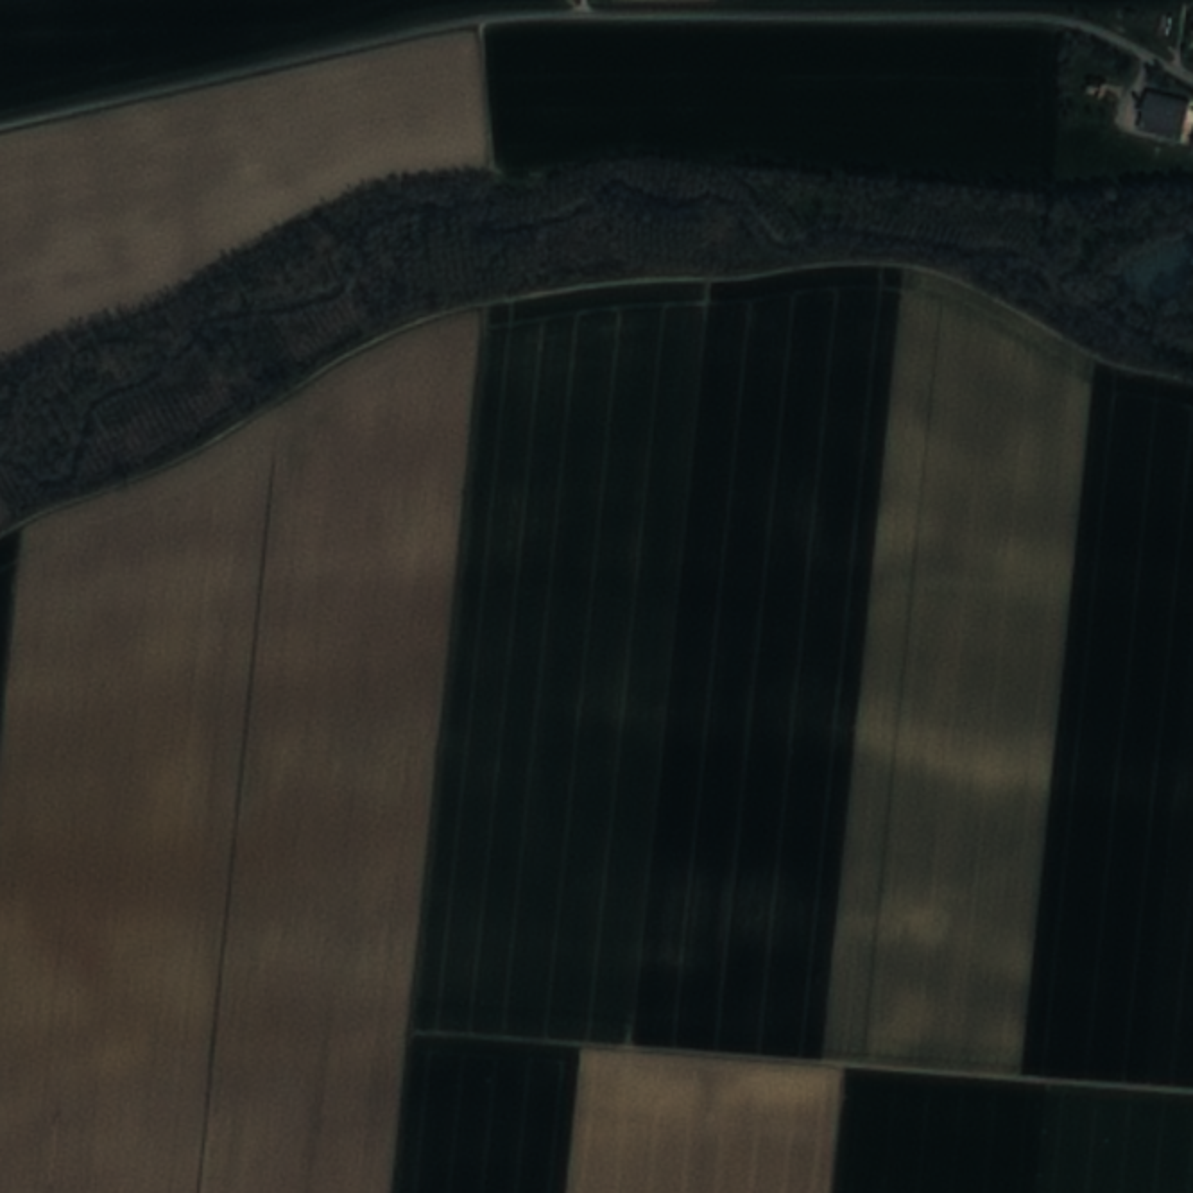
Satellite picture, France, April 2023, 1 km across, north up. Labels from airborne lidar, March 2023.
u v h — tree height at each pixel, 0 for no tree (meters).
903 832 0
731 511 0
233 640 0
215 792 0
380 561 0
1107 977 0
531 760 0
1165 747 0
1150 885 0
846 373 0
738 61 0
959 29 0
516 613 0
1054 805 0
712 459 0
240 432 0
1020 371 0
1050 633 0
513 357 0
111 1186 0
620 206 23
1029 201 17
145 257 0
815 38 0
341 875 0
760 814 0
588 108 0
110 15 0
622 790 0
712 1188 0
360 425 0
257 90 0
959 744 0
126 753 0
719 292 0
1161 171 0
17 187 0
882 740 0
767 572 0
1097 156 0
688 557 0
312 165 0
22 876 0
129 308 0
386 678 0
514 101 0
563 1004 0
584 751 0
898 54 0
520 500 0
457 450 0
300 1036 0
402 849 0
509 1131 0
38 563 0
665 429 0
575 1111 0
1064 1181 0
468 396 0
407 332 0
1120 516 0
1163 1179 0
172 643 0
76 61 0
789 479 0
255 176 0
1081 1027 0
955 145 0
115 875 0
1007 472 0
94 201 0
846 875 0
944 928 0
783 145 0
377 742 0
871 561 0
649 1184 0
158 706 0
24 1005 0
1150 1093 0
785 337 0
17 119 0
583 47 0
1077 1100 0
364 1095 0
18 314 0
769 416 0
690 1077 0
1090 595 0
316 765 0
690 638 0
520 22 0
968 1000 0
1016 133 0
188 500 0
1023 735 0
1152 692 0
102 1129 0
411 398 0
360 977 0
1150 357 24
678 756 0
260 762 0
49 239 0
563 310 0
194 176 0
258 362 25
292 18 0
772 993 0
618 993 0
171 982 0
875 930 0
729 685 0
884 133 0
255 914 0
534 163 0
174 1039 0
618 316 0
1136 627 0
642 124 0
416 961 0
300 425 0
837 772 0
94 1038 0
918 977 0
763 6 0
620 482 0
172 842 0
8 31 0
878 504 0
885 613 0
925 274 0
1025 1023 0
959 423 0
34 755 0
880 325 0
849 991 0
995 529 0
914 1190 0
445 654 0
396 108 0
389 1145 0
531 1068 0
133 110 0
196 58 0
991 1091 0
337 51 0
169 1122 0
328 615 0
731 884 0
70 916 0
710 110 0
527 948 0
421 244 24
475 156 0
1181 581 0
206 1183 0
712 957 0
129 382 12
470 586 0
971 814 0
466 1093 0
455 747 0
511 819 0
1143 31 0
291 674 0
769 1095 0
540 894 0
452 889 0
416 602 0
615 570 0
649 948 0
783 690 0
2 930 0
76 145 0
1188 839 0
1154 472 0
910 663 0
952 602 0
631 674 0
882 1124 0
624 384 0
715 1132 0
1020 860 0
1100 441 0
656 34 0
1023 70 0
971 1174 0
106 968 0
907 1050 0
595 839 0
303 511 0
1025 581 0
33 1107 0
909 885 0
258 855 0
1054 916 0
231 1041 0
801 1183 0
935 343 0
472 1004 0
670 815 0
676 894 0
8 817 0
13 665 0
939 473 0
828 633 0
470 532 0
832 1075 0
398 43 0
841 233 16
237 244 0
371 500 0
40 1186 0
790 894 0
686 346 0
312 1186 0
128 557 0
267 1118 0
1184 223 13
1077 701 0
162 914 0
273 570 0
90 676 0
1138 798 0
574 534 0
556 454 0
